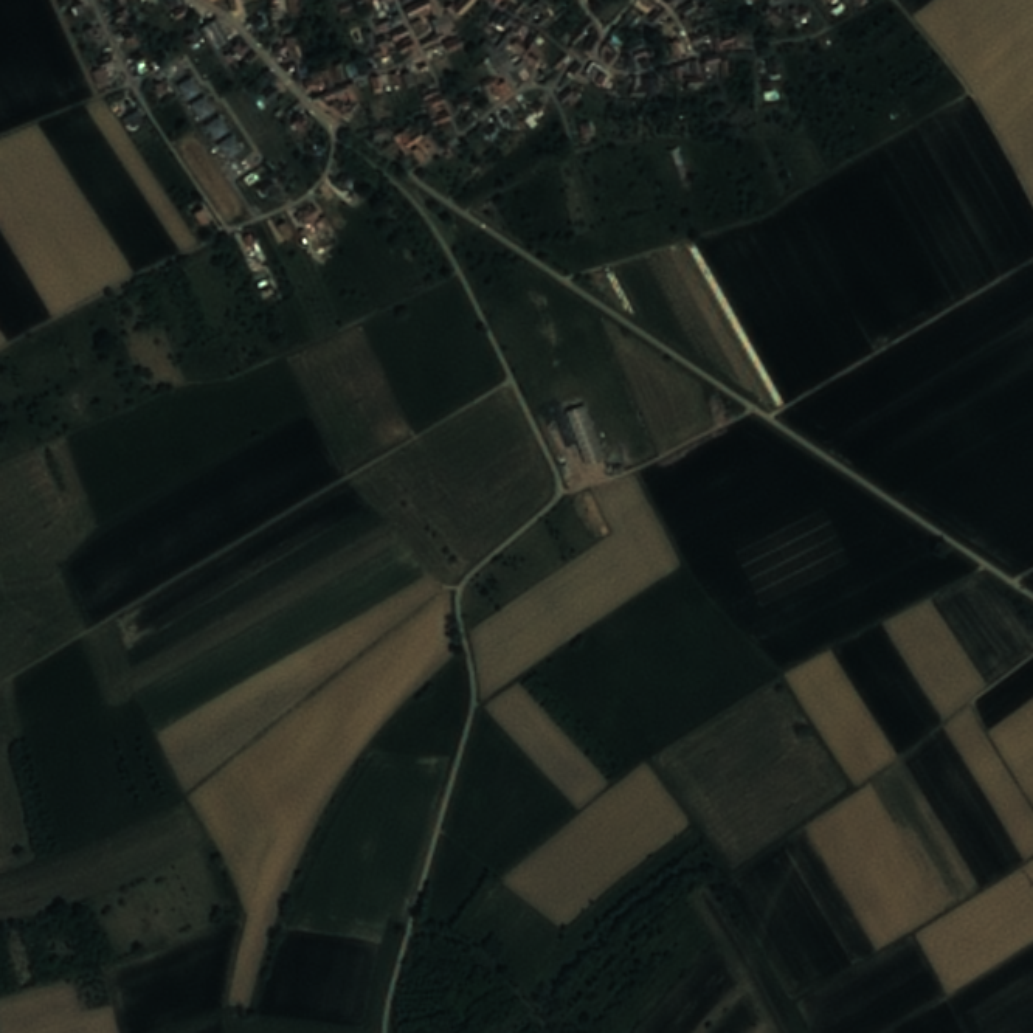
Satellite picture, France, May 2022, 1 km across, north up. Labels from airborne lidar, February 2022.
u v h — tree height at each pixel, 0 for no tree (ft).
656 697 0
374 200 52
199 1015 0
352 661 0
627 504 0
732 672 0
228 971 0
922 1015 0
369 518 0
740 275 0
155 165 0
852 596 0
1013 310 0
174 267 19
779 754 0
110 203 0
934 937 0
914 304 0
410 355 0
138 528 0
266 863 0
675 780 0
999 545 0
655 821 0
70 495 0
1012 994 0
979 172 0
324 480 0
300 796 0
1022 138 0
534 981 0
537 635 0
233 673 0
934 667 0
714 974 0
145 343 0
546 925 0
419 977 19
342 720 0
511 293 0
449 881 0
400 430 0
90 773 0
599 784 0
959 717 0
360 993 0
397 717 0
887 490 0
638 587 0
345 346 0
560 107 0
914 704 0
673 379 0
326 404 0
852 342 0
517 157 0
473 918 0
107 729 0
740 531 0
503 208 21
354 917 0
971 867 0
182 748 0
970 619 0
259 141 0
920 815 0
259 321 25
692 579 0
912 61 0
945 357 0
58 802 0
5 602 0
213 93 0
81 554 0
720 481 0
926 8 0
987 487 0
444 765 0
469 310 0
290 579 0
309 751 0
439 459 0
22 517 0
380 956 0
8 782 0
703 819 0
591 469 0
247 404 0
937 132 0
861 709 0
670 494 0
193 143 0
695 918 0
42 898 0
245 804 0
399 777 0
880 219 0
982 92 0
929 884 0
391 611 0
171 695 0
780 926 0
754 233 0
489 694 0
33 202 0
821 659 0
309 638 0
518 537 0
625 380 0
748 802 0
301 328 0
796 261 0
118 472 0
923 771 0
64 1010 0
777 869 0
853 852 0
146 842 0
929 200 0
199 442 0
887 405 0
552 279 0
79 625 0
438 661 0
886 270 0
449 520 0
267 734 0
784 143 0
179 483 0
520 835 0
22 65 0
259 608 0
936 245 0
